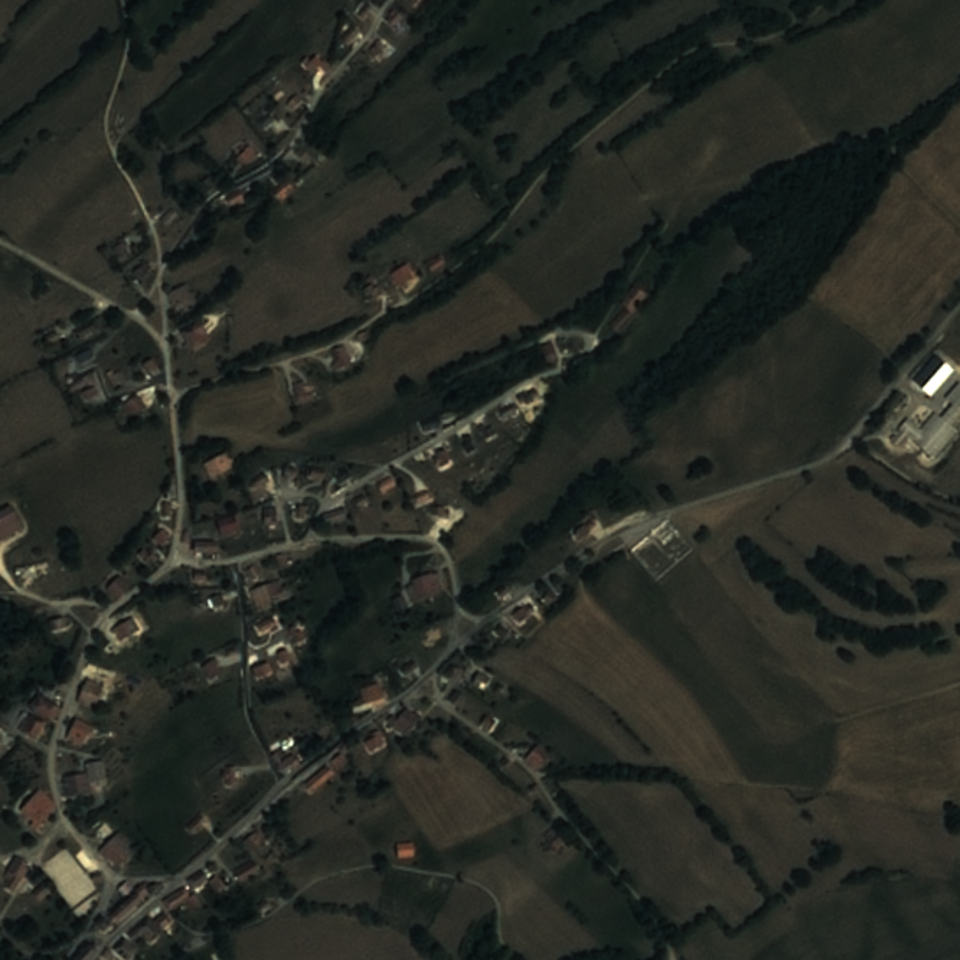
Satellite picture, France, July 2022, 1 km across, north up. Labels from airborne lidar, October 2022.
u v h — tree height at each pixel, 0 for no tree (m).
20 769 7
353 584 20
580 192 0
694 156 0
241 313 0
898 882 0
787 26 7
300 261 0
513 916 0
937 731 0
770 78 0
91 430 0
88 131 0
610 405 0
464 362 10
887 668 0
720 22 12
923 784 0
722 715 0
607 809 0
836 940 0
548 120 0
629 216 0
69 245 0
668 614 0
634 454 7
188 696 10
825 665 0
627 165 0
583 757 0
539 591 9
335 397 0
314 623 0
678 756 0
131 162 11
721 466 0
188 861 0
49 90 7
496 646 8
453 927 0
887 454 0
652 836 0
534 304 0
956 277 0
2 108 0
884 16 0
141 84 0
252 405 0
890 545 0
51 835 0
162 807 0
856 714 0
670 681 0
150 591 16
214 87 0
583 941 0
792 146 0
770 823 0
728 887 0
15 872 0
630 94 7
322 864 0
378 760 0
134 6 15
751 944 0
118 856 0
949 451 0
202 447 16
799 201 8
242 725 0
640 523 0
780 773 0
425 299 11
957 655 0
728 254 0
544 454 0
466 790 0
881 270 0
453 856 0
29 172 0
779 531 0
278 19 0
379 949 0
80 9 0
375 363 0
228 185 16
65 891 0
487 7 0
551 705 0
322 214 0
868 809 0
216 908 9
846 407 0
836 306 0
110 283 0
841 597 11
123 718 6
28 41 0
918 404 0
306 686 20
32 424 0
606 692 0
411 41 0
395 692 0
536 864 0
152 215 0
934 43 0
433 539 0
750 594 0
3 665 8
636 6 16
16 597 0
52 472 0
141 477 0
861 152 19
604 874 10
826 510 0
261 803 0
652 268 0
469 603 22
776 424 0
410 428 0
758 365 0
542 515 0
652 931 20
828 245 14
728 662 0
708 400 0
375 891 0
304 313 0
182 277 0
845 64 0
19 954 12
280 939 0
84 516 0
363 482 0
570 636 0
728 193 0
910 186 0
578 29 11
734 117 0
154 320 0
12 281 0
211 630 0
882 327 0
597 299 11
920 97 0
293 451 0
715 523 0
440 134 0
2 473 0
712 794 0
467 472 0
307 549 0
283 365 0
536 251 0
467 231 0
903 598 11
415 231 0
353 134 0
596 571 17
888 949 0
